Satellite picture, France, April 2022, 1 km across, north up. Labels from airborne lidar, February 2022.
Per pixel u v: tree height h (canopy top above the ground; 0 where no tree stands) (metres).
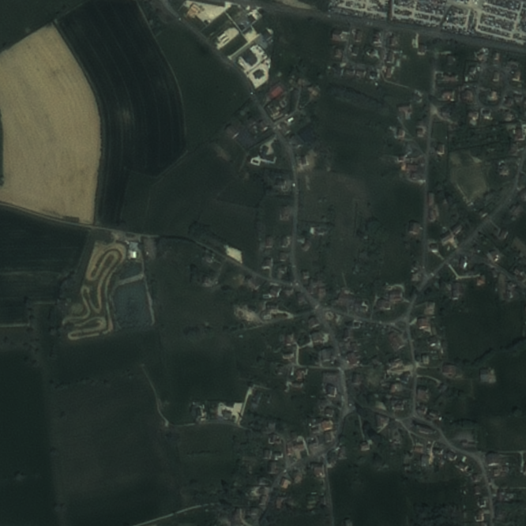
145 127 0
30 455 0
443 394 11
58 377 0
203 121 0
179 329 0
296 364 0
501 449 0
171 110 0
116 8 0
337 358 0
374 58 0
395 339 0
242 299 0
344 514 0
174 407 0
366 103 25
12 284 0
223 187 0
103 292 0
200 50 0
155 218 0
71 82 0
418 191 0
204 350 0
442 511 11
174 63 0
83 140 0
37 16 0
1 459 0
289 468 0
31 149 0
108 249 0
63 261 0
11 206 0
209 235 9
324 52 0
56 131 0
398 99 0
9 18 0
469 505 0
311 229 0
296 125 0
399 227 0
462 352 0
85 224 0
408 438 0
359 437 7
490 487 0
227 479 0
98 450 0
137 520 0
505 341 0
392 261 0
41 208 0
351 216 0
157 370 0
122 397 0
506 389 0
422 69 0
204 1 0
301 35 0
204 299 0
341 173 0
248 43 0
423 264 0
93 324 0
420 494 0
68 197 0
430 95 0
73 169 0
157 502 0
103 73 0
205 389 0
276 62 0
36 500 0
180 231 0
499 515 0
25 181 0
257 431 9
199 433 0
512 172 0
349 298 0
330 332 0
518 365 0
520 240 0
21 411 0
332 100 0
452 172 0
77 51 0
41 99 0
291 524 0
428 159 0
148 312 0
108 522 0
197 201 0
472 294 0
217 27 0
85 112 0
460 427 14
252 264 0
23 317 0
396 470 0
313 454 0
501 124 8
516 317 0
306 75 0
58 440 0
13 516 0
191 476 0
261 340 0
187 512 0
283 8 0
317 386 0
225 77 0
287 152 0
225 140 0
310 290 0
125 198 0
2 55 0
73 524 0
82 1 0
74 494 0
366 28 0
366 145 0
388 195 0
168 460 0
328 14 0
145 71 0
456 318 0
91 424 0
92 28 0
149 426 0
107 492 0
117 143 0
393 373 0
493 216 0
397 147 0
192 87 0
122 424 0
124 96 0
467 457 0
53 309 9
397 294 0
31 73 0
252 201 0
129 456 0
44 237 0
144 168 0
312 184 0
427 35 0
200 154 0
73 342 0
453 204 8
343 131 0
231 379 0
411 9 0
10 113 0
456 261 0
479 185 0
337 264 0
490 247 0
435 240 0
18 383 0
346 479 0
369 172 0
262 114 0
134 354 0
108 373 0
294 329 6
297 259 0
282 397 0
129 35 0
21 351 0
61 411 0
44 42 0
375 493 0
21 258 0
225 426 0
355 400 0
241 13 0
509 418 0
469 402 0
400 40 0
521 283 0
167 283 0
